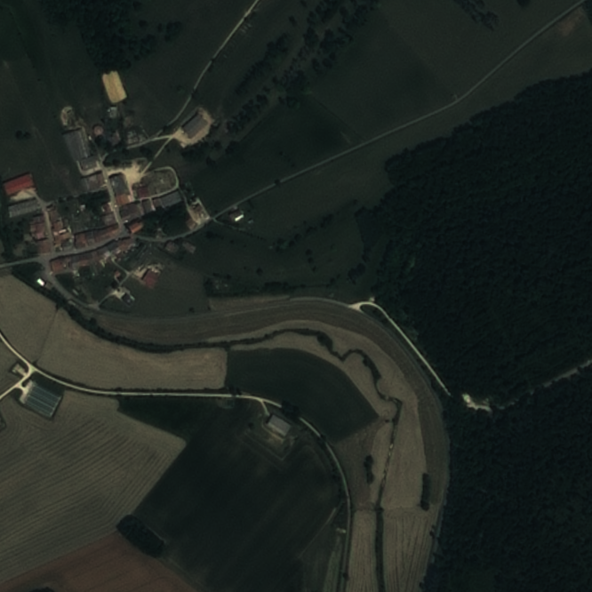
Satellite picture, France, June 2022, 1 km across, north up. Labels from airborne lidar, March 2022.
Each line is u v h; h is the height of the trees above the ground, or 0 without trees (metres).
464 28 0
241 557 0
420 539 0
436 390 11
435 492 0
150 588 0
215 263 0
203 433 0
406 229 15
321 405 0
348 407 0
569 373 0
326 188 0
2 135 0
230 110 0
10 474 0
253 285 0
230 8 0
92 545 0
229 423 0
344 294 0
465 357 15
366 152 0
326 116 0
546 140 21
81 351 0
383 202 16
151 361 0
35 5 0
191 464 0
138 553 0
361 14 16
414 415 0
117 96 0
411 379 0
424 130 0
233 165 0
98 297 0
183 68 0
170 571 0
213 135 0
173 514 0
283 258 0
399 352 0
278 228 0
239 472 0
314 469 0
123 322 0
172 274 0
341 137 0
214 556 0
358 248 0
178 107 0
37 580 0
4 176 0
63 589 0
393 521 0
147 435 0
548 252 17
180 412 0
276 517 0
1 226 0
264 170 0
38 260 0
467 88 0
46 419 0
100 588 0
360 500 0
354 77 0
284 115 0
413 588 0
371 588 0
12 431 0
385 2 0
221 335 0
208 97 0
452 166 18
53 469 0
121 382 0
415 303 15
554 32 0
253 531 0
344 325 0
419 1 0
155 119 0
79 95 0
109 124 0
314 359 0
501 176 17
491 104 0
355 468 0
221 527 0
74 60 0
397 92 0
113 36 22
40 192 0
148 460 0
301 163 0
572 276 19
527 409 18
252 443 0
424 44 0
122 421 0
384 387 0
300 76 20
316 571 0
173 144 0
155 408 0
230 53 0
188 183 0
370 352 0
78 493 0
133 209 0
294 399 0
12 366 0
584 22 0
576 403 18
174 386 0
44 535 0
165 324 0
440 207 22
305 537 0
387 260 17
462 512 21
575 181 21
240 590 0
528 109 18
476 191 19
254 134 0
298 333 0
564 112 19
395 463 0
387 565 0
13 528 0
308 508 0
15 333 0
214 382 0
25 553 0
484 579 0
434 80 0
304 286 10
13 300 0
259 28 0
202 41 0
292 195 0
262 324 0
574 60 0
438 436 0
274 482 0
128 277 0
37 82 0
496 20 15
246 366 0
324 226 11
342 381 0
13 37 0
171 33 14
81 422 0
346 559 0
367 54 0
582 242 20
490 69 0
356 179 0
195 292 0
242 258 0
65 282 0
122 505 0
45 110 0
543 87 17
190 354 0
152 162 0
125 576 0
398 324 9
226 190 0
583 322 19
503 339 13
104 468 0
